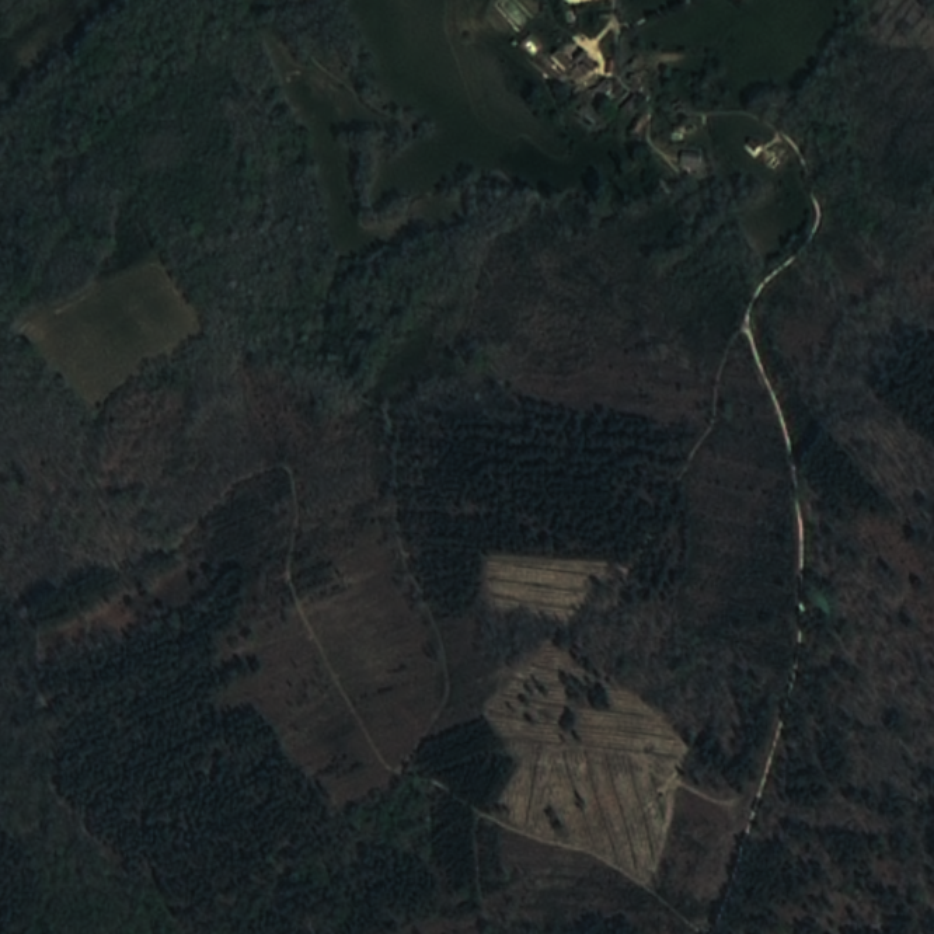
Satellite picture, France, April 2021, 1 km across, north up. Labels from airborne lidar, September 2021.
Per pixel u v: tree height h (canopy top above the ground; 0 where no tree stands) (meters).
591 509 13
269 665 0
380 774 0
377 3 0
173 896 23
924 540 17
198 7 22
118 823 19
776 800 11
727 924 25
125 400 8
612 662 10
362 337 8
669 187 11
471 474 9
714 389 8
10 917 23
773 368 6
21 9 22
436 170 0
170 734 17
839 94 9
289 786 27
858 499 22
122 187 15
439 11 0
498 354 20
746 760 17
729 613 5
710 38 0
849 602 14
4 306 20
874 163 10
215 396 16
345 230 0
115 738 15
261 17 20
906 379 23
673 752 0
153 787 20
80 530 16
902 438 15
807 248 19
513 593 0
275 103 17
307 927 19
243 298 20
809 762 18
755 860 24
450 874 11
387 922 17
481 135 0
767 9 0
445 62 0
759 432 12
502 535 8
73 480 14
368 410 6
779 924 21
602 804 0
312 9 19
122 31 24
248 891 25
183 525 11
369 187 15
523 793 0
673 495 10
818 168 6
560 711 0
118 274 0
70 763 15
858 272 0
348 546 5
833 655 8
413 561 6
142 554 15
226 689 16
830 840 20
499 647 12
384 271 22
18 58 0
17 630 21
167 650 18
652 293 7
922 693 16
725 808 0
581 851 0
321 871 18
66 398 14
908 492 16
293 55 25
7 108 16
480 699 0
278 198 12
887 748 13
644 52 11
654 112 7
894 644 16
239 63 20
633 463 13
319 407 16
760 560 7
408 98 0
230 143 13
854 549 18
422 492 9
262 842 25
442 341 10
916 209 16
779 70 0
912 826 11
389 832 12
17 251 17
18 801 15
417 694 0
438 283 25
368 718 0
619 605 7
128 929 18
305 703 15
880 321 18
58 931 17
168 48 21
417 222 0
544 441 12
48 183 21
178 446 8
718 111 8
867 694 16
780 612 6
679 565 12
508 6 0
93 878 21
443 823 8
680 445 9
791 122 21
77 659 14
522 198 23
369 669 0
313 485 7
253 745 18
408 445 9
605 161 0
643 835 0
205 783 17
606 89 0
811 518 15
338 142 19
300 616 0
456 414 13
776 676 11
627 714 0
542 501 14
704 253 7
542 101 13
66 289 16
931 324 10
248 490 7
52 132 18
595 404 0
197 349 14
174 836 17
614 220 8
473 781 13
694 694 16
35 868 16
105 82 23
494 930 16
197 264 17
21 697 11
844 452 16
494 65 0
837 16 9
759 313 19
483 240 16
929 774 7
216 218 17
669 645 8
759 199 20
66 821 16
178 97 15
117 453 9
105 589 24
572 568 0
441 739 8
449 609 7
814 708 16
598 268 6
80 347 0
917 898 17
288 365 20
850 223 16
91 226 18
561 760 0
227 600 16
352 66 19
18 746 7
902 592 16
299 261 14
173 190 11
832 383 13
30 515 15
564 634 9
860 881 16
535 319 6
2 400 15
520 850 0
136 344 0
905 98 8
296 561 7
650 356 21
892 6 21
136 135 15
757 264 13
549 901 0
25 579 12
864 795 11
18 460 18
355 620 0
